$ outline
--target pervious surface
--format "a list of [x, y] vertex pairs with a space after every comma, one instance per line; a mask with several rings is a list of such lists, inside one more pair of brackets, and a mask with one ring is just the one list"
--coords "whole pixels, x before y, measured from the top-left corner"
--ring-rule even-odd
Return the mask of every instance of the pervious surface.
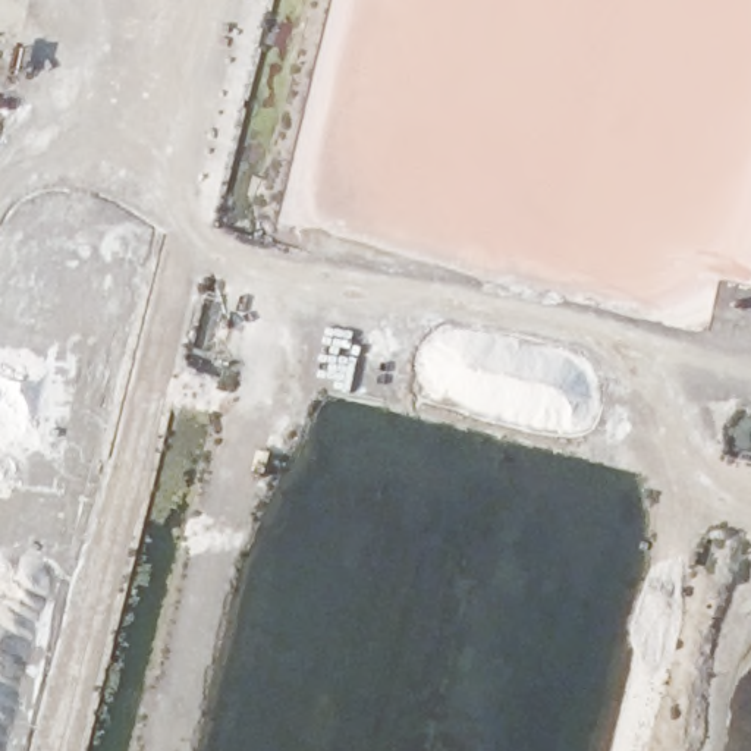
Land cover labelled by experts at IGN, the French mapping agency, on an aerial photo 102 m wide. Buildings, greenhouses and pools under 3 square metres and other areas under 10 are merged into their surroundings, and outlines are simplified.
[[631, 675], [610, 751], [751, 751], [751, 464], [730, 461], [725, 455], [725, 422], [733, 411], [751, 414], [751, 153], [745, 158], [742, 182], [733, 188], [733, 199], [719, 211], [719, 217], [710, 226], [701, 226], [692, 243], [669, 252], [672, 264], [651, 285], [651, 302], [657, 308], [651, 308], [648, 317], [631, 317], [590, 302], [560, 299], [549, 287], [522, 296], [502, 282], [478, 279], [425, 261], [411, 261], [399, 252], [340, 238], [326, 229], [282, 226], [282, 202], [287, 197], [290, 170], [296, 161], [308, 97], [314, 88], [314, 73], [320, 65], [334, 0], [0, 0], [0, 751], [88, 751], [94, 713], [100, 701], [100, 684], [111, 657], [114, 631], [126, 598], [126, 578], [132, 572], [144, 522], [170, 411], [217, 411], [223, 420], [223, 446], [217, 446], [217, 452], [211, 455], [211, 475], [205, 484], [191, 487], [188, 505], [185, 540], [176, 543], [173, 569], [167, 575], [167, 593], [158, 613], [158, 628], [153, 640], [150, 666], [144, 675], [144, 695], [135, 713], [129, 751], [194, 751], [199, 739], [205, 672], [211, 669], [214, 648], [223, 640], [223, 601], [235, 581], [238, 554], [252, 537], [252, 510], [267, 496], [264, 461], [273, 449], [290, 452], [293, 446], [299, 446], [308, 434], [311, 402], [331, 396], [396, 411], [425, 422], [481, 431], [508, 443], [549, 449], [557, 455], [575, 455], [593, 464], [640, 475], [640, 502], [648, 516], [648, 534], [654, 540], [654, 549], [628, 619]]

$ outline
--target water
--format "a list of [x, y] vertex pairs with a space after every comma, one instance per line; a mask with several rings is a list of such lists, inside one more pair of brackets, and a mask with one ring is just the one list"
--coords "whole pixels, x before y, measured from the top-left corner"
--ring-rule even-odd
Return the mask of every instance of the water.
[[144, 695], [144, 675], [150, 666], [153, 640], [158, 628], [158, 613], [167, 593], [167, 575], [173, 569], [176, 543], [185, 540], [188, 505], [176, 505], [161, 522], [144, 522], [132, 572], [126, 578], [126, 598], [114, 631], [111, 657], [100, 684], [100, 701], [94, 713], [88, 751], [129, 751], [135, 713]]
[[293, 446], [290, 452], [273, 449], [264, 461], [267, 496], [252, 510], [252, 537], [238, 554], [235, 581], [223, 601], [223, 640], [214, 648], [211, 669], [205, 672], [199, 739], [194, 751], [610, 751], [631, 675], [628, 619], [654, 549], [654, 540], [648, 534], [648, 516], [640, 502], [640, 475], [593, 464], [575, 455], [557, 455], [549, 449], [508, 443], [481, 431], [425, 422], [396, 411], [331, 396], [311, 402], [308, 434], [299, 446]]
[[719, 217], [719, 211], [733, 199], [733, 188], [742, 182], [745, 158], [751, 153], [751, 0], [334, 0], [320, 65], [314, 73], [314, 88], [308, 97], [296, 161], [290, 170], [287, 197], [282, 202], [282, 226], [326, 229], [340, 238], [399, 252], [411, 261], [425, 261], [478, 279], [502, 282], [522, 296], [549, 287], [560, 299], [590, 302], [631, 317], [648, 317], [651, 308], [657, 308], [651, 302], [651, 285], [672, 264], [669, 252], [692, 243], [701, 226], [710, 226]]

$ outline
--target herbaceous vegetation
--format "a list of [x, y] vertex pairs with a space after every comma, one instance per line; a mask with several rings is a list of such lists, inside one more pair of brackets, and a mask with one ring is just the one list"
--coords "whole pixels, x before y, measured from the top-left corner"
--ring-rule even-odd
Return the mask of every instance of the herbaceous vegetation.
[[176, 505], [188, 505], [191, 487], [205, 484], [211, 475], [211, 455], [217, 452], [217, 446], [223, 446], [223, 420], [217, 411], [170, 411], [144, 522], [161, 522]]
[[751, 414], [733, 411], [725, 422], [725, 455], [730, 461], [751, 464]]

